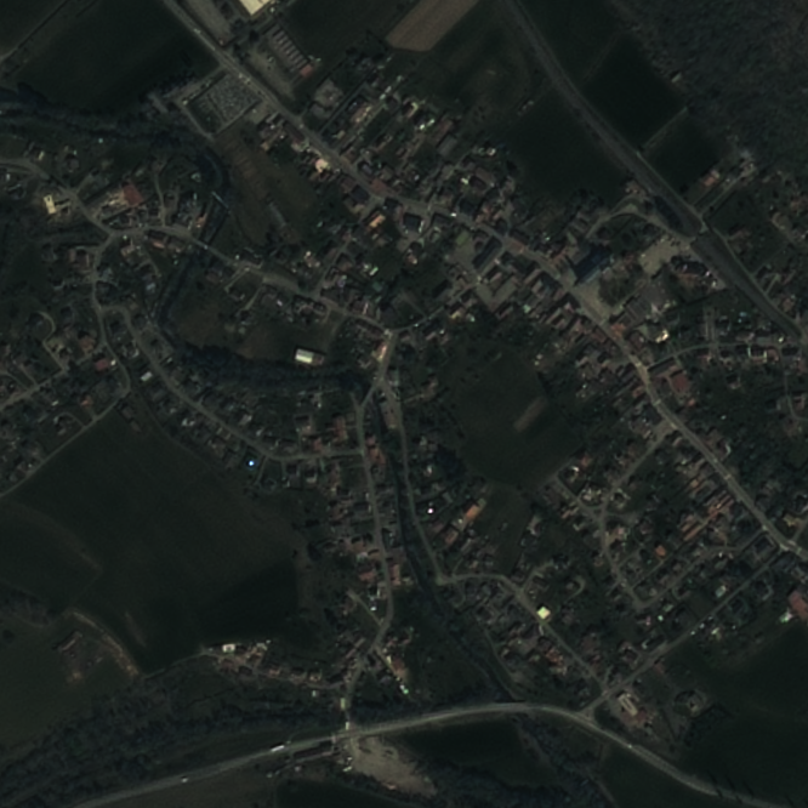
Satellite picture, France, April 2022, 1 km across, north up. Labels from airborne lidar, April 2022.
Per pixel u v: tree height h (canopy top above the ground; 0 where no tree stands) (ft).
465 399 0
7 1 0
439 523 0
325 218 21
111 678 0
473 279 0
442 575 0
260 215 0
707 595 35
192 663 20
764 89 54
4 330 0
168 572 0
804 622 0
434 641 0
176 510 0
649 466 0
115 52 0
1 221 42
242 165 0
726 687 0
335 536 0
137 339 0
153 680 20
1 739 0
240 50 28
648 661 0
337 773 19
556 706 0
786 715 0
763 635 25
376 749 0
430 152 0
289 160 0
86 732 64
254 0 0
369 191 0
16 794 55
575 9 0
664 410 0
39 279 0
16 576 0
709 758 0
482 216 0
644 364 0
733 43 54
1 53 0
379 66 36
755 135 53
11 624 0
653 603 0
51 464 0
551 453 0
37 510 0
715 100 38
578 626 29
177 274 37
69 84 0
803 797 0
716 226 0
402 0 0
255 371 69
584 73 0
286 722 44
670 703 0
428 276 0
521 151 0
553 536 0
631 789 0
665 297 0
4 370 0
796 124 26
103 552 0
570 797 63
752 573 64
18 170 0
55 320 0
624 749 0
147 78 0
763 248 0
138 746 76
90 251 0
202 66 0
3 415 22
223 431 0
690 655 0
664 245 0
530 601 0
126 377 0
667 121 0
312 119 0
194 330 0
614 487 0
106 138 45
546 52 0
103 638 0
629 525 0
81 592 0
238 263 0
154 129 50
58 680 0
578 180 0
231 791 0
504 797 79
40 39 0
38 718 0
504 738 0
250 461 0
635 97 0
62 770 73
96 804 0
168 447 0
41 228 52
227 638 0
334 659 0
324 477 36
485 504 0
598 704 0
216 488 0
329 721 22
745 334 0
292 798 0
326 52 0
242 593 0
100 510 0
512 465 0
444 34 0
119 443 0
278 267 0
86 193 0
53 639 0
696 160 0
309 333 0
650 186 0
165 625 0
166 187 0
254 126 27
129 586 0
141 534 0
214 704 0
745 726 0
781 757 0
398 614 0
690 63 49
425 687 0
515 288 0
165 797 0
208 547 0
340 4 0
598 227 0
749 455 20
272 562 0
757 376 26
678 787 0
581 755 0
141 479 0
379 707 37
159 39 0
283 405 0
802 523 0
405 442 0
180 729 57
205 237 0
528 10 0
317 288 0
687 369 26
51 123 36
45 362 0
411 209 0
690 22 53
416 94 0
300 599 0
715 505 0
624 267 0
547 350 0
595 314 0
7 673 0
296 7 0
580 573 0
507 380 0
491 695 63
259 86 0
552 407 0
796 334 0
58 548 0
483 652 21
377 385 0
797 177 33
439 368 30
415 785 0
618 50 0
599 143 52
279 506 0
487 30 0
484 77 0
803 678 0
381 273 0
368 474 0
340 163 0
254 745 0
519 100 0
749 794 0
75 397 24
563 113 0
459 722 0
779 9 17
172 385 0
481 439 0
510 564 0
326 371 48
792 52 28
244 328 0
